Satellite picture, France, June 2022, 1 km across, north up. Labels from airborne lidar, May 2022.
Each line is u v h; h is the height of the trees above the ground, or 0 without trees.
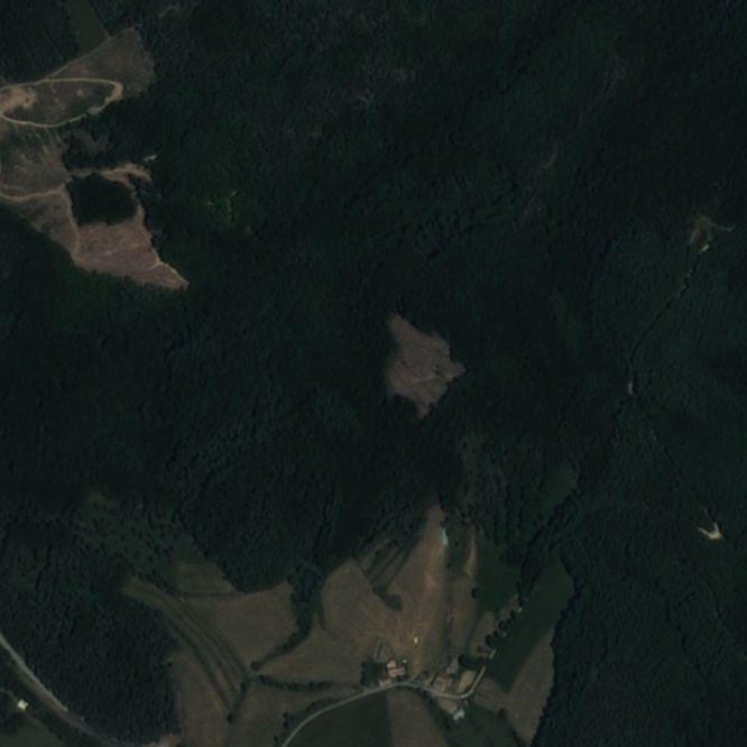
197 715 0
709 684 27
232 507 21
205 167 21
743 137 19
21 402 31
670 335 17
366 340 28
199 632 0
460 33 16
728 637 33
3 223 19
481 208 7
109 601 22
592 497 22
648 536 20
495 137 26
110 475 23
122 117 16
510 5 14
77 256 0
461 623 0
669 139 19
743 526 21
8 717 13
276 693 0
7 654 12
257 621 0
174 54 13
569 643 27
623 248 29
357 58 14
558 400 21
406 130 19
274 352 18
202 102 20
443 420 14
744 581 17
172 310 19
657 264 27
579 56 19
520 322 16
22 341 12
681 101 27
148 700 19
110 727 19
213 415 23
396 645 0
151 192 23
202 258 25
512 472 11
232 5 14
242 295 25
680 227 17
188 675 0
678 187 20
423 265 26
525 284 23
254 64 28
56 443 22
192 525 25
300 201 31
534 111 19
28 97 0
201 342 35
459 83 17
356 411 28
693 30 27
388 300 22
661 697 23
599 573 26
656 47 24
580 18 25
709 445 18
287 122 16
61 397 28
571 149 16
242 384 23
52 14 11
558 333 24
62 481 21
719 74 21
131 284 16
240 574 19
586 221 18
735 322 19
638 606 28
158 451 28
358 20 9
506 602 0
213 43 17
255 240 30
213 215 18
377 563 0
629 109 24
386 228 21
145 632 18
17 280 11
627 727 15
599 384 16
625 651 29
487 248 24
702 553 15
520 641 0
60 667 16
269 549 24
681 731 8
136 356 33
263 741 0
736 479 18
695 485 19
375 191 31
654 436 12
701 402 30
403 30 20
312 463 21
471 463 0
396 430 24
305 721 0
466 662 21
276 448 19
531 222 6
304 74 19
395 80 13
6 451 23
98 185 25
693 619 31
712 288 18
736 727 9
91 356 37
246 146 25
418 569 0
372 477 25
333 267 19
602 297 18
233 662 0
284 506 14
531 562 18
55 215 0
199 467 19
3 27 15
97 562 18
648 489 19
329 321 25
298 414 18
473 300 15
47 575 15
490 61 19
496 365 13
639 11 21
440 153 22
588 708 19
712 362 12
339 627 0
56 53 12
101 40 0
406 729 0
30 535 19
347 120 11
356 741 0
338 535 32
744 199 11
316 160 22
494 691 0
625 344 15
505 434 19
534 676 0
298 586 10
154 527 10
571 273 23
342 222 28
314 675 0
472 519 14
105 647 14
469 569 0
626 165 20
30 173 0
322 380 27
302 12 13
